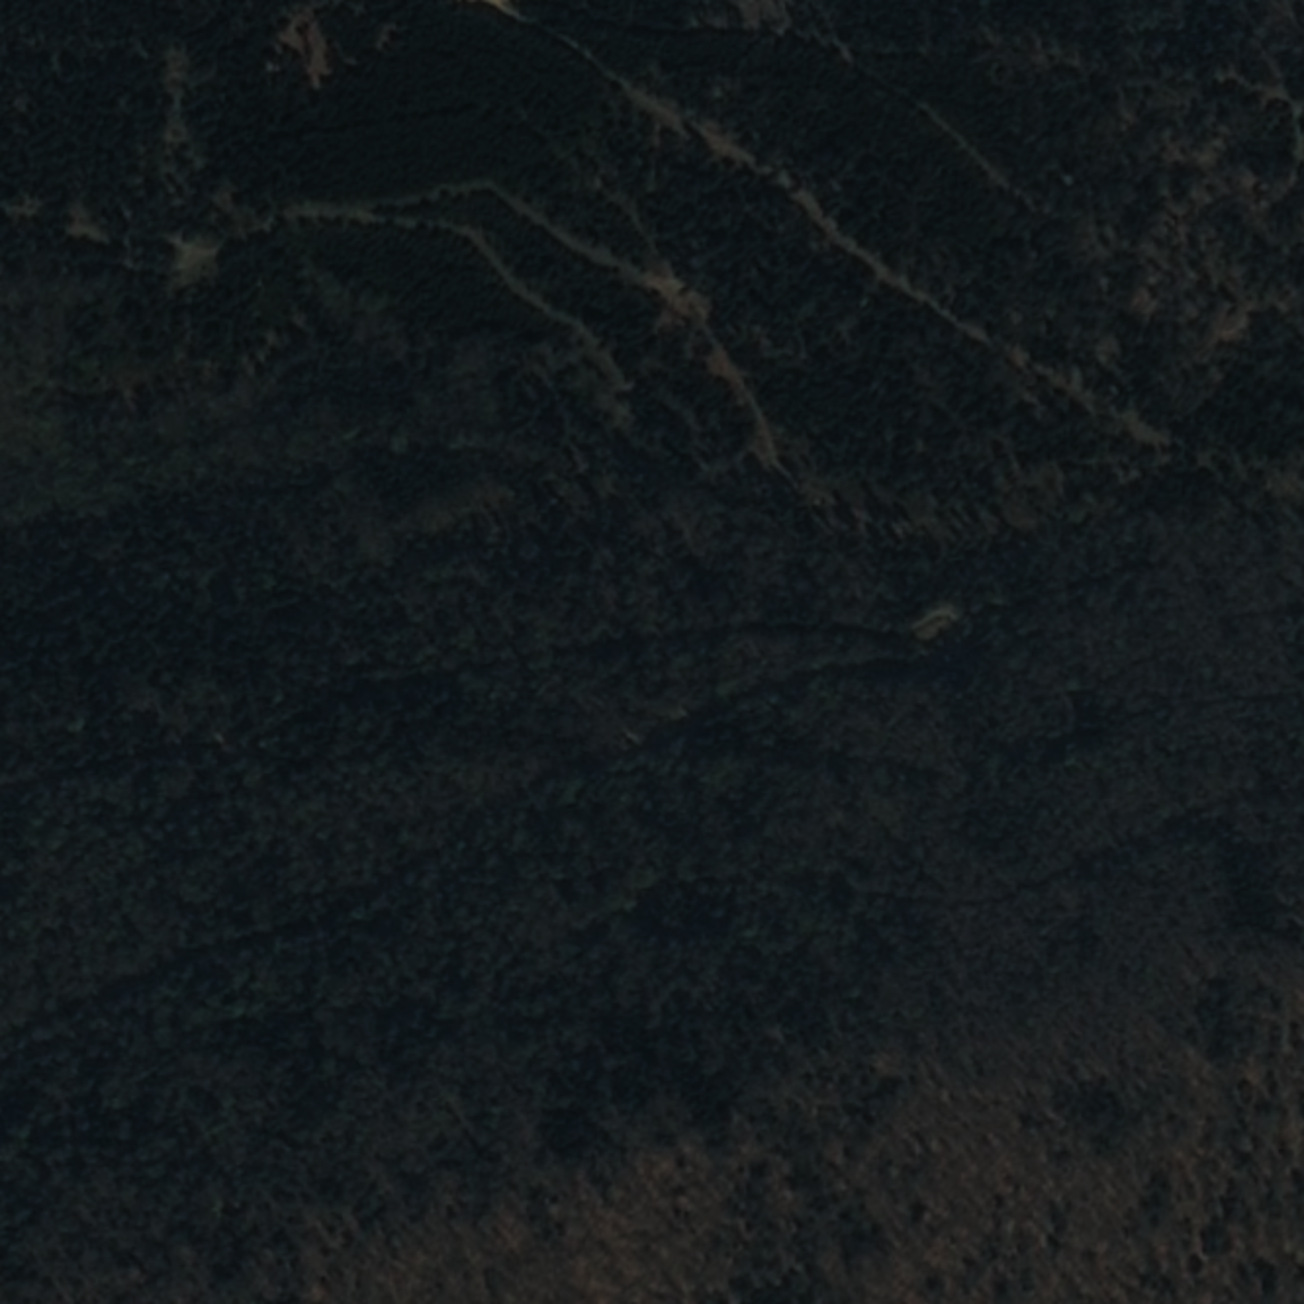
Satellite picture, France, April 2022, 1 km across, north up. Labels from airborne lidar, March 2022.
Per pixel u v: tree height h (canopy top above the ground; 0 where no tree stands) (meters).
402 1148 26
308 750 24
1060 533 35
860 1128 27
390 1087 33
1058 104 12
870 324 8
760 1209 31
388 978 33
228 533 30
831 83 11
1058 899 28
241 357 12
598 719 27
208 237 7
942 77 7
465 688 16
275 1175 29
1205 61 8
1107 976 27
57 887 38
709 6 13
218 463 29
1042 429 34
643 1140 23
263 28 19
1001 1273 30
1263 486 30
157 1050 32
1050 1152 28
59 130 32
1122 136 10
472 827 15
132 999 31
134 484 27
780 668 26
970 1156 31
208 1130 35
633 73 13
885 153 7
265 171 21
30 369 31
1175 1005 23
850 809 36
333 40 9
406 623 31
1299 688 25
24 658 32
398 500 27
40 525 24
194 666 34
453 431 25
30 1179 15
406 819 34
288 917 29
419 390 24
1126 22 13
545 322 9
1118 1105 26
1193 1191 27
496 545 34
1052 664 29
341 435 29
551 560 29
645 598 27
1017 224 9
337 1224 27
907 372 15
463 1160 11
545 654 29
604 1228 30
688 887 13
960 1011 27
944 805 32
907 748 28
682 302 0
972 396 19
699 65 13
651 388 9
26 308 35
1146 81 16
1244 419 12
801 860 34
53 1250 29
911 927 31
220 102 28
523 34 11
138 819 7
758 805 32
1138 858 26
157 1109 28
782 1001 27
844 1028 28
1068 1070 27
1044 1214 28
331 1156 32
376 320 28
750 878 29
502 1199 29
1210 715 31
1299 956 26
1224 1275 35
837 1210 29
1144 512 33
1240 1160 28
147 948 35
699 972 9
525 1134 29
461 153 13
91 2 21
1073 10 16
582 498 0
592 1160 25
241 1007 28
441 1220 31
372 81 14
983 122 10
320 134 15
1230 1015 15
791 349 30
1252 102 12
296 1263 30
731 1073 13
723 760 31
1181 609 28
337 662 28
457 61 14
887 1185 28
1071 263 28
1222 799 27
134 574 16
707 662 32
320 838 13
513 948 34
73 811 32
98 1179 34
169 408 28
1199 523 30
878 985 31
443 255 10
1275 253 29
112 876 31
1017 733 23
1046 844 27
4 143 29
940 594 25
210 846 31
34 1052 25
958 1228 28
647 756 29
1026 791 28
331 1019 28
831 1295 32
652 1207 31
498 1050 30
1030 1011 29
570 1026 29
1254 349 8
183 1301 30
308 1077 27
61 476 34
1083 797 29
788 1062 27
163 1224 31
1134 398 35
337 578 28
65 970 35
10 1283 8
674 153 7
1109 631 27
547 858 32
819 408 11
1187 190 29
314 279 8
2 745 28
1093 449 9
